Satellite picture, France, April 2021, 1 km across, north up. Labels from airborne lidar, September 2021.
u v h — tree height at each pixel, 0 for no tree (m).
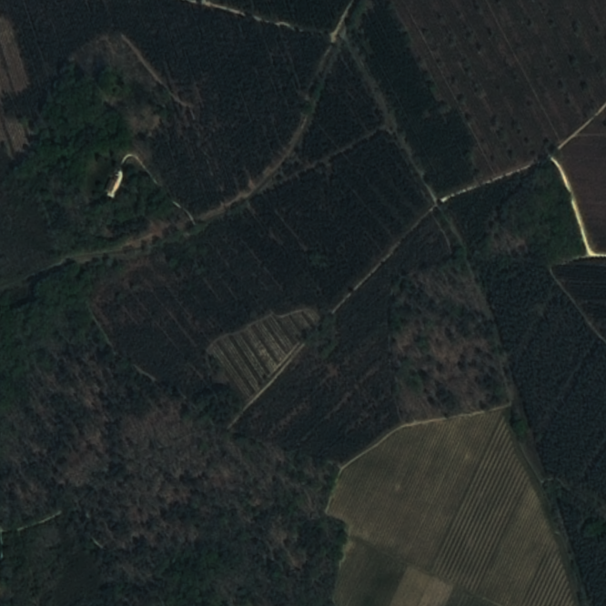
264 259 12
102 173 0
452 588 0
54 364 24
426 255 8
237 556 23
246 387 0
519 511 0
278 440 7
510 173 0
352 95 13
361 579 0
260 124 8
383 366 8
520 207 17
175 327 10
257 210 14
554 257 20
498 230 15
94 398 19
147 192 22
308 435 10
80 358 19
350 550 0
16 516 23
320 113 11
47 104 24
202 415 14
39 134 21
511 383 8
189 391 9
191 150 8
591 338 16
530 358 18
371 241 13
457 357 18
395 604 0
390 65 14
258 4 11
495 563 0
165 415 10
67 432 31
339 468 7
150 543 10
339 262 12
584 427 18
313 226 12
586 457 21
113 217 19
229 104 11
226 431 19
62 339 23
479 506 0
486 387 22
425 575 0
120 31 13
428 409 22
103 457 12
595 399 17
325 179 12
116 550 12
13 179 6
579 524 20
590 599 15
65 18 12
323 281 11
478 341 11
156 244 17
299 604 20
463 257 21
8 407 27
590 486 18
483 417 0
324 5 13
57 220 12
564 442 18
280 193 14
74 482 17
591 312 11
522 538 0
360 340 10
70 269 17
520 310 18
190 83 9
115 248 20
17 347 18
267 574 20
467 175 8
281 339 0
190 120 10
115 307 8
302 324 0
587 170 0
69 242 22
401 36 11
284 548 17
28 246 13
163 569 26
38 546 17
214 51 10
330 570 17
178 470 14
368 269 11
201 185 8
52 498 28
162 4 11
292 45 10
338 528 21
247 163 11
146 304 10
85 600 8
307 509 19
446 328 12
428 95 9
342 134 14
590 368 20
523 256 13
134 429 15
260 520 13
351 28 17
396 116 9
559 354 18
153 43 13
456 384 17
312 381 9
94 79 13
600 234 0
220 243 8
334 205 11
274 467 20
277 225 12
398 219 13
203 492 14
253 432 6
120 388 21
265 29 13
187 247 18
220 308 9
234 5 11
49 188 15
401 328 18
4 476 16
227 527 22
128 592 29
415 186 13
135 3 9
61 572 8
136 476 11
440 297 20
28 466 14
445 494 0
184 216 13
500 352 15
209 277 10
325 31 11
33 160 27
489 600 0
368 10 19
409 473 0
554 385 19
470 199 11
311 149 13
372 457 0
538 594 0
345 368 8
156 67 12
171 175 11
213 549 22
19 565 7
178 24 11
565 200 21
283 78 13
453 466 0
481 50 17
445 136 11
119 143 25
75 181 16
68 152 25
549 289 17
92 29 13
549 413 9
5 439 24
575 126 0
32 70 9
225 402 27
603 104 0
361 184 12
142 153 26
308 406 6
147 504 15
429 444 0
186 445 9
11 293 10
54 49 12
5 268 20
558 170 18
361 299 9
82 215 17
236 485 8
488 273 11
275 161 12
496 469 0
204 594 22
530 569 0
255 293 10
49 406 23
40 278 10
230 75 13
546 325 18
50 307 20
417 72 9
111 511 16
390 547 0
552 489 8
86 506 19
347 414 7
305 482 16
